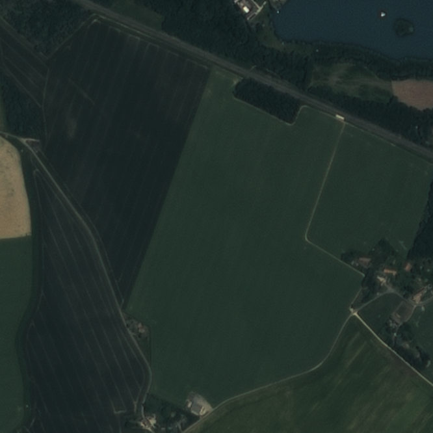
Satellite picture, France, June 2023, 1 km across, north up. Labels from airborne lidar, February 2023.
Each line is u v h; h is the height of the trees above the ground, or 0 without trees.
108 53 0
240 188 0
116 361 0
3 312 0
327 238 0
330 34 0
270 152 0
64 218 0
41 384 0
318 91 18
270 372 0
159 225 0
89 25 0
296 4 0
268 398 0
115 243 0
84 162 0
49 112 0
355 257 12
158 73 0
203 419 0
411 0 0
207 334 0
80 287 0
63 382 0
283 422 0
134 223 0
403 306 0
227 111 0
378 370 0
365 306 0
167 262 0
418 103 0
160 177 0
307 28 0
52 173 0
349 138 0
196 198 0
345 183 0
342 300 0
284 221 0
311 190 0
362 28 0
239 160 0
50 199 0
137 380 0
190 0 9
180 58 0
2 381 0
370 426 0
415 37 0
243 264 0
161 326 0
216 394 0
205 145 0
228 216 0
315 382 0
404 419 0
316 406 0
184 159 0
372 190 0
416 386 0
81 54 0
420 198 0
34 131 19
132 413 0
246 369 0
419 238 8
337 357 0
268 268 0
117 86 0
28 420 0
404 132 6
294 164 0
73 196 0
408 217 0
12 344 0
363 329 0
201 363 0
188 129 0
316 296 0
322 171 0
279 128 0
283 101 16
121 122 0
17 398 0
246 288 0
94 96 0
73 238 0
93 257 0
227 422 0
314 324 0
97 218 0
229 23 18
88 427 0
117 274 0
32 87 0
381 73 13
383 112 22
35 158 0
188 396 0
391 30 0
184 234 0
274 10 0
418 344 0
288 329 0
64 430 0
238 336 0
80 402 0
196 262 0
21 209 0
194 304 0
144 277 0
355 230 0
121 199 0
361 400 0
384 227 0
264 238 0
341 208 0
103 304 0
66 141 0
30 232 0
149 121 0
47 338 0
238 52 23
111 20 0
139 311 0
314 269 0
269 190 0
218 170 0
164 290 0
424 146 13
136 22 0
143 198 0
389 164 0
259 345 0
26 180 0
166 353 0
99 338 0
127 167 0
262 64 22
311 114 0
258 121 0
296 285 0
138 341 0
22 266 0
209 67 0
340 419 0
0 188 0
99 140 0
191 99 0
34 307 0
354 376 0
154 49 0
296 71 13
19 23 12
